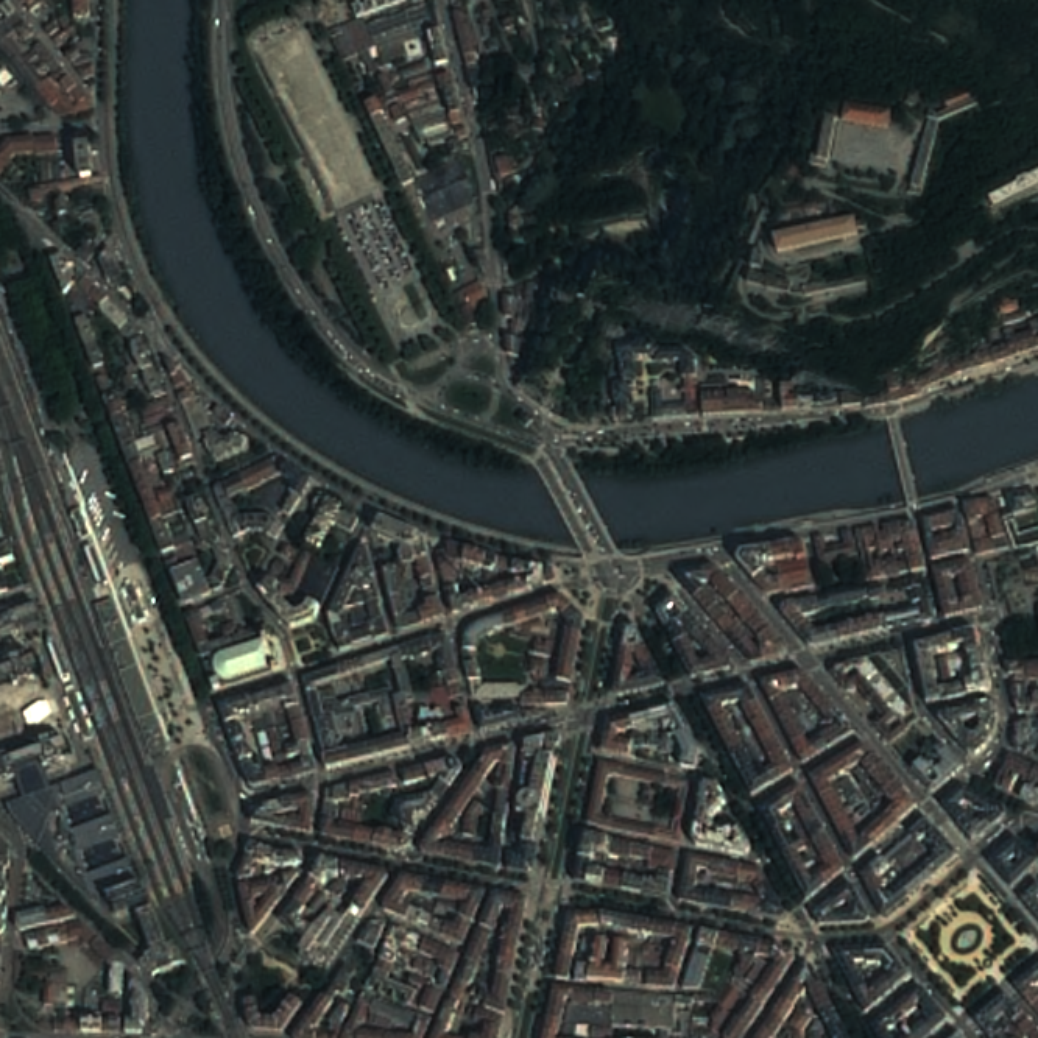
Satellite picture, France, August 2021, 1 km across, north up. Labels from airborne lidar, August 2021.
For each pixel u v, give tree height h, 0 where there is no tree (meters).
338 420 0
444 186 0
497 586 0
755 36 17
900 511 0
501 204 17
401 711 0
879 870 0
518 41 7
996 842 0
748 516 0
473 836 0
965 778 0
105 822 0
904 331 12
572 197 14
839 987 12
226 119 0
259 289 19
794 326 9
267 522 0
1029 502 0
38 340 23
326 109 0
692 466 16
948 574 0
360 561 0
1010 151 7
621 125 19
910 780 0
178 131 0
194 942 0
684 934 0
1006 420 0
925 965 7
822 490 0
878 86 17
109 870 0
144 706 0
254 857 0
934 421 0
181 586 0
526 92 8
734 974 0
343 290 13
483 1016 0
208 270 0
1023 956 9
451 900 0
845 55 19
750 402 0
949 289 12
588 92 23
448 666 0
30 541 0
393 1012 0
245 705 0
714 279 11
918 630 0
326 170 0
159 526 0
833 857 0
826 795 0
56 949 13
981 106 10
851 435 12
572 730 0
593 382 14
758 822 15
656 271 17
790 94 10
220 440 0
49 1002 0
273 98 0
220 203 17
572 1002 0
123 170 9
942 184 18
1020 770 0
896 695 0
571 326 15
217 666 0
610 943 0
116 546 0
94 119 0
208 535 0
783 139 20
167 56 0
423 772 0
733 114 19
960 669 0
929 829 0
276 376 0
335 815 0
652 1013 0
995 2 6
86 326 0
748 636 0
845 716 0
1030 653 14
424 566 0
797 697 0
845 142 0
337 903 0
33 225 0
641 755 10
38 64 0
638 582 0
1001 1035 0
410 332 0
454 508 0
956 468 0
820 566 20
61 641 0
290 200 16
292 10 13
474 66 0
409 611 0
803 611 0
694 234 7
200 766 0
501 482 0
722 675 10
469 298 0
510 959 0
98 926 7
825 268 17
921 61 13
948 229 11
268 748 0
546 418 0
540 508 0
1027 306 8
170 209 0
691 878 0
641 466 18
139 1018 0
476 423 0
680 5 17
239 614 0
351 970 0
